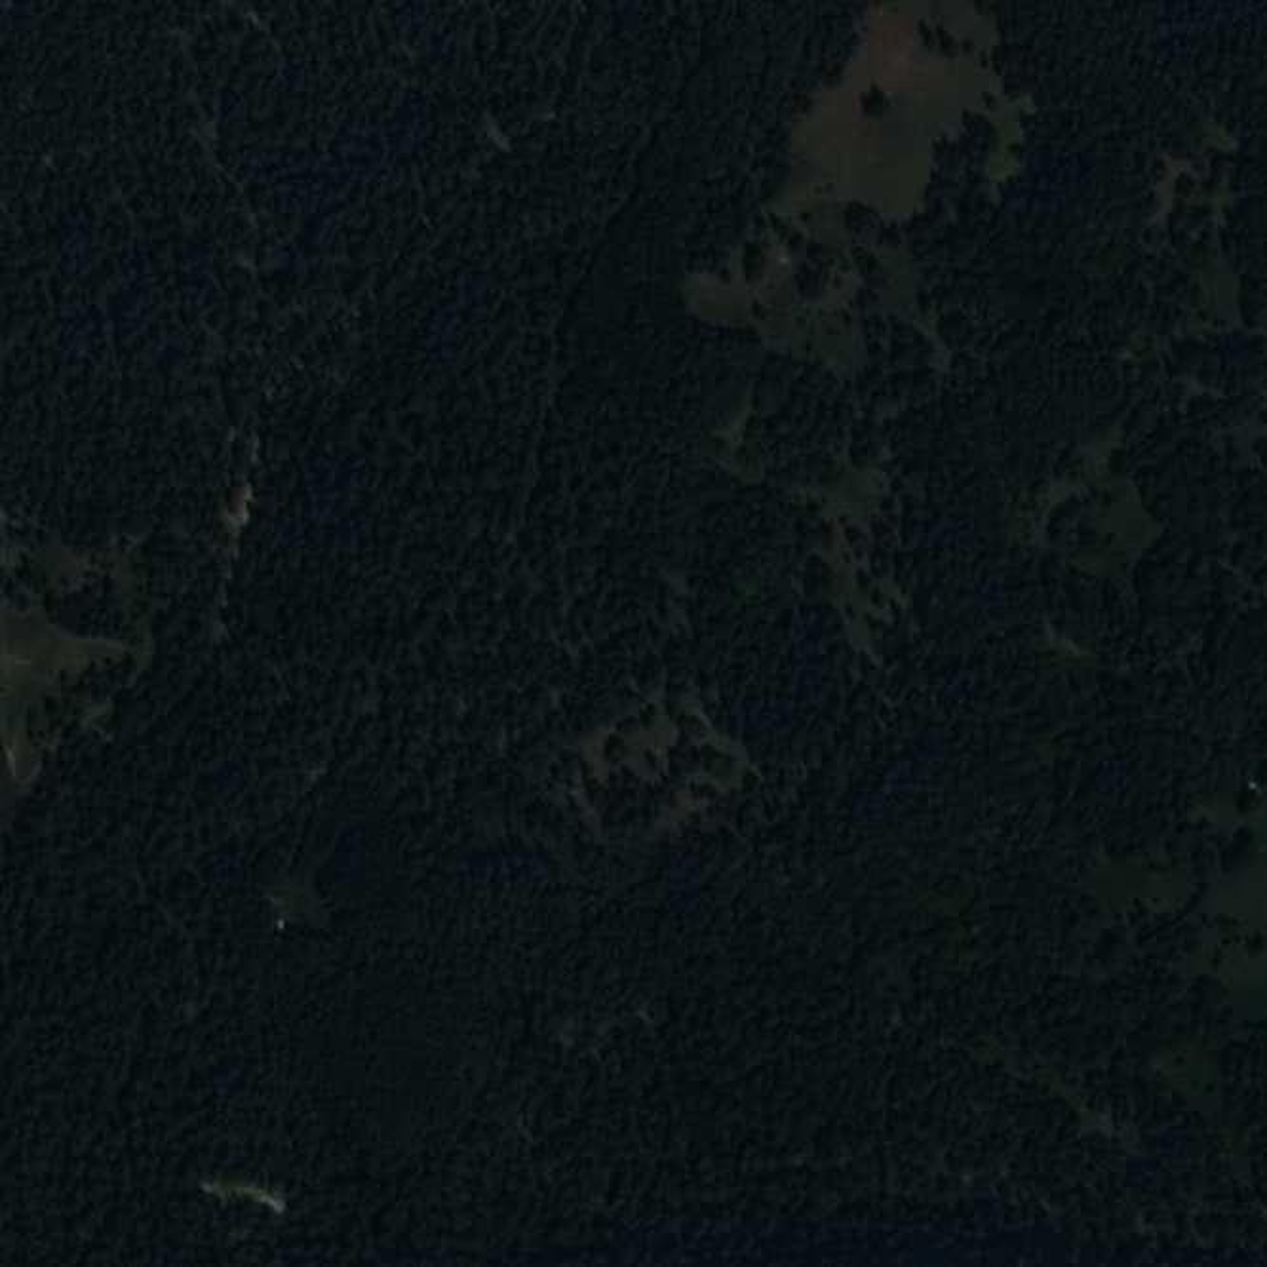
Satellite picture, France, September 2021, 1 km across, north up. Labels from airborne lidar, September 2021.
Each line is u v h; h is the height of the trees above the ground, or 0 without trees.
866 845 26
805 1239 24
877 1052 18
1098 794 27
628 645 20
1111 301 14
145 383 29
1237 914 0
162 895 15
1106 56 29
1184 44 26
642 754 0
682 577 17
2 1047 26
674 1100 23
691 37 19
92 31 17
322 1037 22
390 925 24
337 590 14
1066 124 6
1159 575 21
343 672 27
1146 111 21
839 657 24
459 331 21
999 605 26
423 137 28
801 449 22
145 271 30
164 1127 11
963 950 16
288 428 19
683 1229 15
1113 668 24
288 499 12
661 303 20
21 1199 24
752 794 18
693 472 24
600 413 19
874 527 0
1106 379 24
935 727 20
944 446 23
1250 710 21
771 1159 26
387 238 26
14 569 0
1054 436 27
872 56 0
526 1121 31
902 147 0
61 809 6
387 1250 28
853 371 0
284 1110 14
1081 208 34
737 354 24
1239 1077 25
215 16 26
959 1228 19
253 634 16
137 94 20
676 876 27
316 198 25
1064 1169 30
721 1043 17
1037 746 24
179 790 30
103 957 14
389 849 24
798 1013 31
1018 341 25
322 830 24
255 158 24
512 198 15
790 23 24
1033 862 25
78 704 13
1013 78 19
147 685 12
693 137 17
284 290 23
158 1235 27
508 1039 12
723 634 23
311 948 21
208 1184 18
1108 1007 18
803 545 15
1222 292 0
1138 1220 29
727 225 20
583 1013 31
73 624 8
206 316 29
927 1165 35
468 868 12
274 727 21
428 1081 24
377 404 12
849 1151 23
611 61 15
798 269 0
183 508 11
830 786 19
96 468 16
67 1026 10
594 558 11
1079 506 10
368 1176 18
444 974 20
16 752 0
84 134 27
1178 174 0
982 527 25
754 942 28
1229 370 29
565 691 16
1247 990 0
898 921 23
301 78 24
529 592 22
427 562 26
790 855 29
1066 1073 10
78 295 17
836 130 0
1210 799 20
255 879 20
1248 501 21
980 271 25
